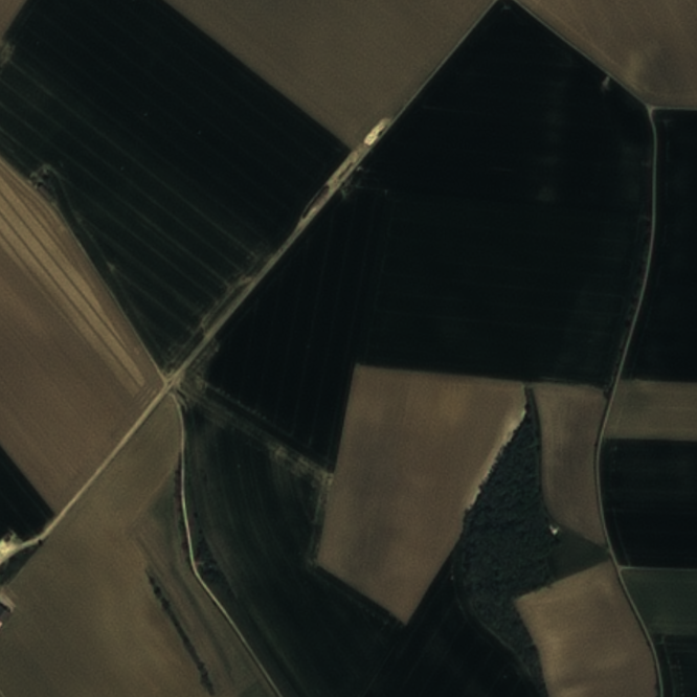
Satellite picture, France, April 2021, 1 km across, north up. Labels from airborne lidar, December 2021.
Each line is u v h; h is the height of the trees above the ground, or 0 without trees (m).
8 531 0
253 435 0
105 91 0
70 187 0
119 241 0
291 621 0
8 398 0
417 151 0
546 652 0
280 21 0
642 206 0
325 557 0
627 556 0
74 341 0
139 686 0
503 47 0
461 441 0
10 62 0
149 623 0
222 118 0
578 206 0
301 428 0
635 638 0
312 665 0
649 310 0
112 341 0
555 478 0
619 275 0
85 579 0
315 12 0
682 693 0
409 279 0
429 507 0
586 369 0
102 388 0
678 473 0
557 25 0
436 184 0
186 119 0
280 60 0
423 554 0
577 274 0
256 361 0
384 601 0
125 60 0
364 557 0
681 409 0
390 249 0
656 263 0
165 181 0
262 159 0
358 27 0
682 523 0
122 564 0
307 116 0
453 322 0
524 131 0
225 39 0
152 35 0
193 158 0
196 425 0
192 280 0
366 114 0
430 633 0
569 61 0
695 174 0
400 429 0
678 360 0
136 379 0
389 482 0
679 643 0
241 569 0
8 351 0
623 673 0
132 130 0
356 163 0
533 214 0
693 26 0
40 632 0
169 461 0
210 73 0
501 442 0
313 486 0
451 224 0
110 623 0
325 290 0
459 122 0
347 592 0
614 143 0
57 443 0
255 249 0
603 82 0
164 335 0
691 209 0
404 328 0
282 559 0
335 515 0
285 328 0
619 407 0
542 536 17
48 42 0
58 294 0
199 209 0
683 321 0
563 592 0
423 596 0
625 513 0
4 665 0
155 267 0
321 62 0
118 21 0
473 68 0
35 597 0
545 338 0
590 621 0
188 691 0
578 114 0
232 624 0
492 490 13
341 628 0
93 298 0
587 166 0
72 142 0
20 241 0
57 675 0
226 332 0
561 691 0
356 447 0
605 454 0
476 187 0
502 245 0
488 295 0
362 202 0
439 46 0
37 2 0
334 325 0
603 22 0
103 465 0
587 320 0
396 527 0
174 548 0
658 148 0
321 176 0
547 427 0
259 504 0
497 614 12
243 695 0
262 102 0
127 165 0
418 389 0
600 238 0
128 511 0
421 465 0
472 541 8
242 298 0
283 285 0
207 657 0
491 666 0
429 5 0
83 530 0
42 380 0
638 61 0
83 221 0
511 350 0
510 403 0
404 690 0
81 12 0
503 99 0
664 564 0
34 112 0
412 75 0
